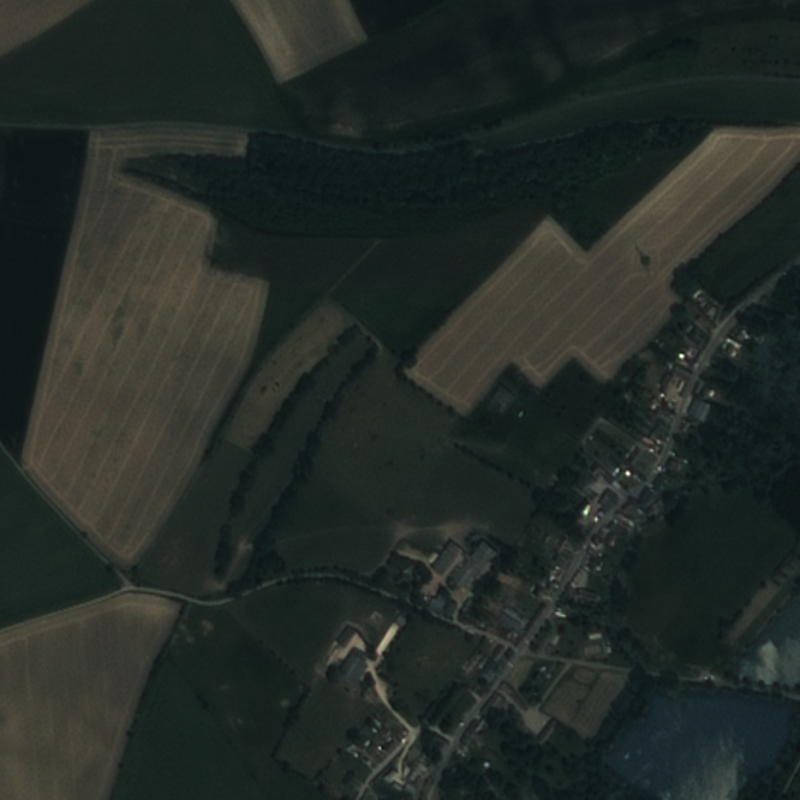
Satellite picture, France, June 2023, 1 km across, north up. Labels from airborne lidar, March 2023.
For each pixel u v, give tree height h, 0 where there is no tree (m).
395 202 11
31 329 0
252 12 0
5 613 0
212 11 0
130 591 0
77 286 0
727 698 0
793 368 23
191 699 0
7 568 0
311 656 0
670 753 0
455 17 0
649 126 6
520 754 15
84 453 0
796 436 35
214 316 0
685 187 0
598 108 0
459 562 0
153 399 0
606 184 0
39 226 0
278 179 11
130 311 0
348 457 0
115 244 0
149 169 0
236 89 0
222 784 0
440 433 0
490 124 10
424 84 0
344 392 9
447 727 8
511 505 0
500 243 0
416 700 0
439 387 0
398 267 0
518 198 8
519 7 0
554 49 0
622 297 0
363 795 0
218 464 0
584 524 0
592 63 0
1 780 0
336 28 0
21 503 0
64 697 0
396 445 0
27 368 0
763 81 0
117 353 0
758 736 0
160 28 0
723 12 0
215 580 0
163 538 0
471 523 0
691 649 0
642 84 0
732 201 0
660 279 0
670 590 0
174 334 0
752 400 36
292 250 0
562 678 0
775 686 12
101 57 0
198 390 0
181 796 0
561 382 0
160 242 0
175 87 0
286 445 0
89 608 0
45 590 0
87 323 0
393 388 0
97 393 0
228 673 0
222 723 0
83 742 0
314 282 0
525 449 0
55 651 0
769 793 11
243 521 0
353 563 0
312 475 0
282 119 0
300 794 0
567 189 12
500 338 0
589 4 0
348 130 0
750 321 11
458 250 0
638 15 0
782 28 0
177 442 0
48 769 0
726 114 0
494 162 12
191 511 0
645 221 0
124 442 0
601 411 0
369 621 0
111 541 0
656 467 0
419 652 0
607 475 0
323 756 0
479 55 0
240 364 0
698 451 16
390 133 0
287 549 0
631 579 0
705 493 11
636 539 8
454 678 9
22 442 0
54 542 0
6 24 0
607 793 12
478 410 0
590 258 0
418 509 0
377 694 0
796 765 0
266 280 0
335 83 0
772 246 0
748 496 0
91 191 0
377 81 0
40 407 0
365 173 18
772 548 0
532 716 0
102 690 0
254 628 0
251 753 0
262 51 0
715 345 0
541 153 22
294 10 0
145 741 0
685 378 0
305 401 0
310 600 0
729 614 0
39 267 0
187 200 0
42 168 0
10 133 0
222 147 0
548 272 0
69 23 0
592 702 0
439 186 23
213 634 0
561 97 0
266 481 0
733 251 0
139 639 0
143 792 0
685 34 0
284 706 0
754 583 0
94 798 0
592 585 0
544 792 25
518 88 0
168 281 0
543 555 0
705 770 0
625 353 0
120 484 0
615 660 0
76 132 0
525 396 0
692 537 0
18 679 0
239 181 20
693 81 0
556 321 0
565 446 0
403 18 0
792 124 0
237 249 0
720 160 0
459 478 0
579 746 0
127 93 0
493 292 0
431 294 0
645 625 0
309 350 0
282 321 0
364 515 0
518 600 0
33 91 0
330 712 0
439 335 0
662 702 0
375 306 0
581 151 11
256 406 0
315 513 0
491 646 0
